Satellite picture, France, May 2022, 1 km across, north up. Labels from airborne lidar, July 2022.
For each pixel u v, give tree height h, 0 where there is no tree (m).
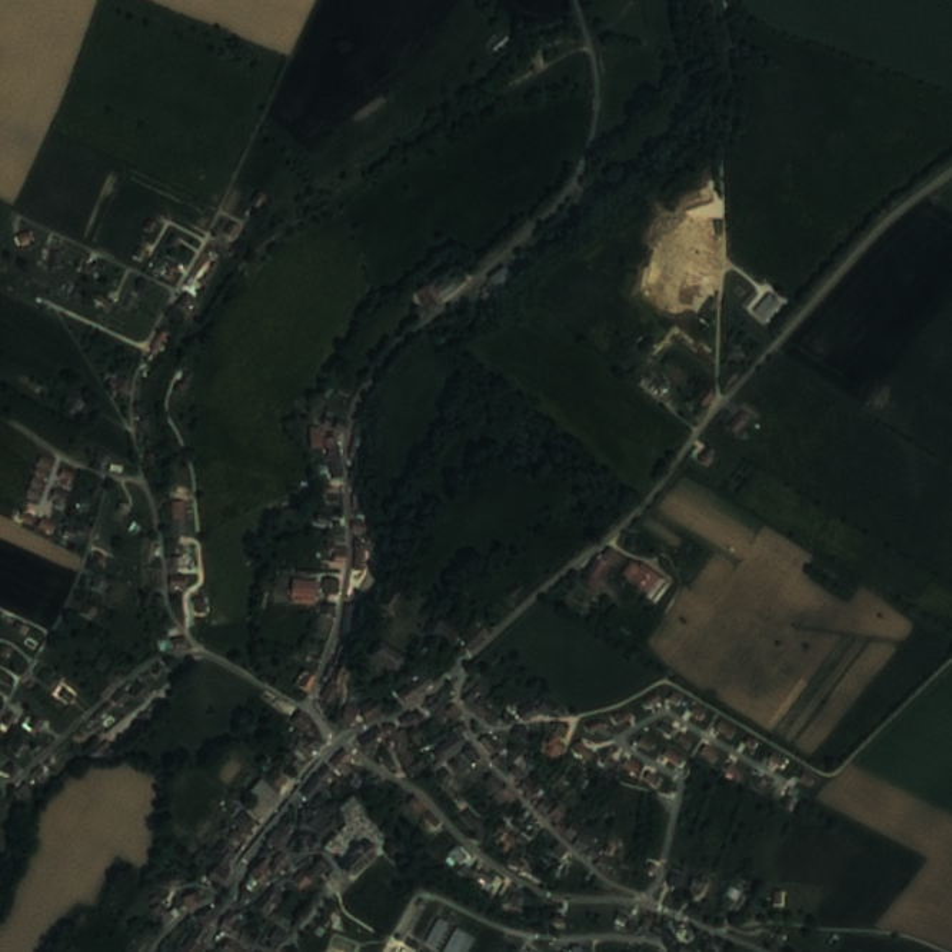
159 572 0
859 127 0
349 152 0
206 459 0
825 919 0
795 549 0
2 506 0
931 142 0
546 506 7
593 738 0
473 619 7
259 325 0
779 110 0
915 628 0
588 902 0
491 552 7
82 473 9
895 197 11
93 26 0
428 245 0
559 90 15
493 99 8
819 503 7
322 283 0
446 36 0
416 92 0
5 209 0
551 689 18
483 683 0
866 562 0
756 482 0
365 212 0
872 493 0
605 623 7
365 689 7
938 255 0
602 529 19
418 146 13
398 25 0
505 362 0
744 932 0
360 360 0
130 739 18
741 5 8
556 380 0
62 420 11
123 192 0
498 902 9
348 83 0
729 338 6
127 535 0
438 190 0
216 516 0
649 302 0
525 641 0
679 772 0
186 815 0
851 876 0
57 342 0
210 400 0
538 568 0
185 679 21
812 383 0
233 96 0
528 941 0
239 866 0
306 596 0
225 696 0
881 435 0
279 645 6
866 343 0
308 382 0
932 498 0
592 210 27
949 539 0
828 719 0
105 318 0
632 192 23
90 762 18
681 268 0
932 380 0
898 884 0
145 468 5
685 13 22
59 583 0
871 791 0
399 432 0
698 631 0
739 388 0
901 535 0
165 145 0
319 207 16
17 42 0
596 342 0
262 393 0
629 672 0
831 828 10
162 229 0
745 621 0
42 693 7
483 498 0
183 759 23
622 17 0
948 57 0
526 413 24
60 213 0
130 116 0
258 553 28
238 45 15
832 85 0
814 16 0
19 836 20
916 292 0
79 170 0
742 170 0
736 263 0
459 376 14
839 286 0
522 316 13
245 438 0
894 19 0
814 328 0
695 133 23
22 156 0
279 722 0
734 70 14
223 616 0
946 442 0
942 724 0
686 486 0
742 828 9
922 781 0
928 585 0
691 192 0
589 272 0
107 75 0
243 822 0
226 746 19
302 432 0
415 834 14
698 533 0
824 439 0
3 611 0
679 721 0
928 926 0
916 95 0
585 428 0
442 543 0
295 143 0
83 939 0
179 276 0
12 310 0
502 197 0
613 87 0
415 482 14
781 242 0
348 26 0
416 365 0
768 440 0
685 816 6
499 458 29
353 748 0
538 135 0
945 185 0
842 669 0
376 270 0
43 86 0
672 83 21
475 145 0
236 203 0
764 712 0
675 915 0
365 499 15
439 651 17
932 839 0
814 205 0
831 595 0
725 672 0
